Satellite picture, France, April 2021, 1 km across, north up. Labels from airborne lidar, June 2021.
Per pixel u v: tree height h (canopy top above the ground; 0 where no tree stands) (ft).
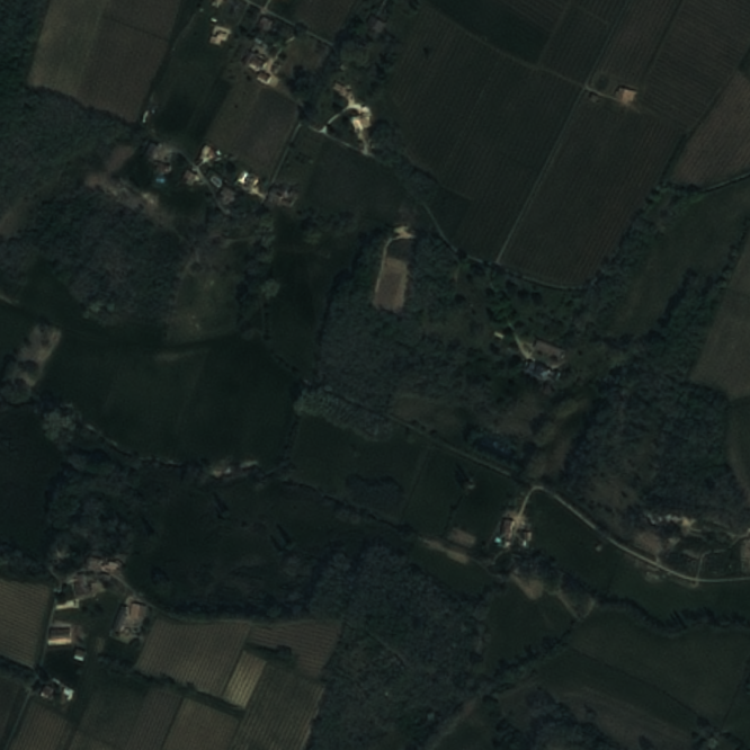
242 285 0
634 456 71
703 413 33
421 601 65
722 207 0
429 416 0
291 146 29
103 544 58
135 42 0
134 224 42
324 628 0
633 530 76
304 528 0
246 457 0
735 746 20
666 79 0
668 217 47
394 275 0
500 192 0
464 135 0
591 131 0
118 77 0
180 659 0
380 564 76
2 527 0
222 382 0
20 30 41
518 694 0
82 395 0
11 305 0
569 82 0
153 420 0
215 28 0
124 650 0
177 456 0
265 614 28
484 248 0
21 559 60
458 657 35
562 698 0
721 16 0
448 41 0
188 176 0
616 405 89
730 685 0
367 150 0
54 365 0
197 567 0
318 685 0
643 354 54
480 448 32
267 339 35
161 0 0
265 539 0
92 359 0
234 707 0
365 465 0
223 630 0
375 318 43
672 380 56
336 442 0
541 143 0
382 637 48
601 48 0
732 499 47
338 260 0
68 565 36
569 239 0
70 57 0
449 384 61
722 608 0
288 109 0
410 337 67
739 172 0
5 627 0
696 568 0
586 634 0
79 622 0
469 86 0
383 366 51
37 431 0
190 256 72
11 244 43
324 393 81
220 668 0
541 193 0
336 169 0
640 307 0
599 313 59
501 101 0
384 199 0
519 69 0
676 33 0
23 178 51
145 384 0
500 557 0
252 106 0
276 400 0
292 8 0
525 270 0
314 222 28
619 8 0
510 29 0
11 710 0
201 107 0
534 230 0
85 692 0
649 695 0
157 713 0
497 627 0
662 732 0
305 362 0
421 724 31
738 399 0
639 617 64
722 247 0
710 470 33
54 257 67
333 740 63
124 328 0
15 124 67
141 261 38
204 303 0
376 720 38
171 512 0
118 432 0
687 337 61
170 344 0
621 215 0
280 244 0
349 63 72
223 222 48
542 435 96
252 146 0
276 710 0
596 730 19
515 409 62
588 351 0
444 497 0
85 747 0
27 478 0
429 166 0
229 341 0
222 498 0
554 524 0
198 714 0
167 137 0
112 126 62
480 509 0
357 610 77
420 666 51
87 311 51
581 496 84
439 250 58
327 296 0
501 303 58
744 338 0
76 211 25
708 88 0
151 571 0
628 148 0
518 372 56
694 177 0
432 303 66
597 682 0
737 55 0
